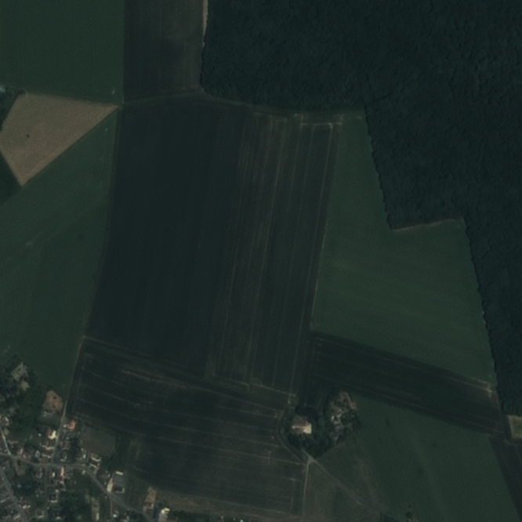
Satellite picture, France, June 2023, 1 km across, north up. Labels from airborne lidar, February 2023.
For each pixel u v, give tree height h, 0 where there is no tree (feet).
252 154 0
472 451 0
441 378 0
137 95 0
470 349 0
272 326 0
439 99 84
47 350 0
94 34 0
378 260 0
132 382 0
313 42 93
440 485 0
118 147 0
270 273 0
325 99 66
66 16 0
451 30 76
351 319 0
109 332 0
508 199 83
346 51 82
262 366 0
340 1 74
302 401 0
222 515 0
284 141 0
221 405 0
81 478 0
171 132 0
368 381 0
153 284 0
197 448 0
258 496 0
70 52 0
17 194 0
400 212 73
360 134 0
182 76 0
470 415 0
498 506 0
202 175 0
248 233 0
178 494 0
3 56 0
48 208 0
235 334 0
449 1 86
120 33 0
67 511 39
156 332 0
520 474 0
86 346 0
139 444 0
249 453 0
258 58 80
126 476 0
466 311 0
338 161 0
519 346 73
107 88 0
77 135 0
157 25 0
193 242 0
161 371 0
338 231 0
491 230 79
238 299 0
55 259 0
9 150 0
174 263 0
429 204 81
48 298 0
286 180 0
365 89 73
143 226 0
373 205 0
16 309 0
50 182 0
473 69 70
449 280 0
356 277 0
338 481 0
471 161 85
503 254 72
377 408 0
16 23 0
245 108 0
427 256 0
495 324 69
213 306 0
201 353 0
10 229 0
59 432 0
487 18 86
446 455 0
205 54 51
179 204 0
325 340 0
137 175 0
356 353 0
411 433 0
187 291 0
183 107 0
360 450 0
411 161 72
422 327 0
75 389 0
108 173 0
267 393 0
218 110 0
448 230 0
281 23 78
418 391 0
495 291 75
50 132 0
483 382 0
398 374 0
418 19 81
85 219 0
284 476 0
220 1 74
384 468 0
